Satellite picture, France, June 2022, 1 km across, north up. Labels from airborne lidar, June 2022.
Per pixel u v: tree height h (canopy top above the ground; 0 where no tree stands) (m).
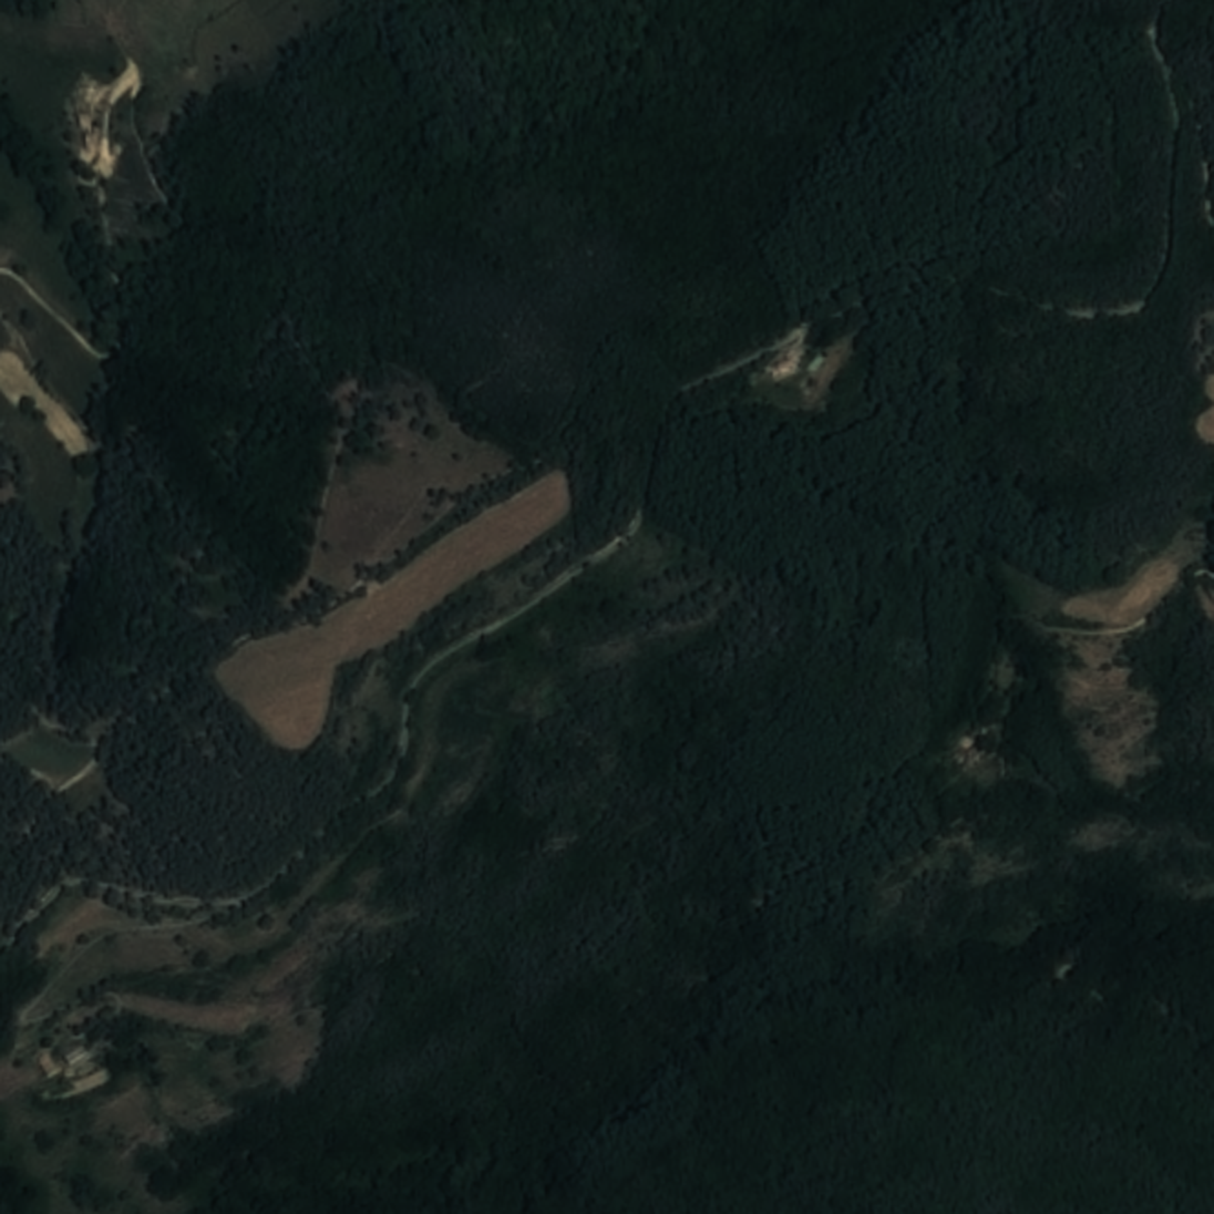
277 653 0
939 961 15
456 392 9
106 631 17
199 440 16
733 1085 19
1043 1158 15
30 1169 0
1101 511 23
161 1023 7
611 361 28
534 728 11
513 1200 10
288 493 13
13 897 15
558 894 19
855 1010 14
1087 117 25
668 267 8
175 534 14
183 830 17
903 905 7
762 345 10
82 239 16
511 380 8
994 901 14
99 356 0
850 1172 15
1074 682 0
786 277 24
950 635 18
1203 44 20
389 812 9
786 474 31
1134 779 9
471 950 17
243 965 16
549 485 0
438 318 8
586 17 7
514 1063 18
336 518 0
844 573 27
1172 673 7
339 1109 16
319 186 10
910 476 26
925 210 27
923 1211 18
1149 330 13
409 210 15
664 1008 21
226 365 11
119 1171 0
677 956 15
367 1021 16
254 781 17
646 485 19
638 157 11
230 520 19
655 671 6
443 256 10
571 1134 28
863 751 25
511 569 0
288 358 12
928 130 26
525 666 8
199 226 11
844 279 28
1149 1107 19
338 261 18
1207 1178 15
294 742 0
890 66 12
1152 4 20
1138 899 10
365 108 12
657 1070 22
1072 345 11
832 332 17
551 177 7
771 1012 24
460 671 0
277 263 16
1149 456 15
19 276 11
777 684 17
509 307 7
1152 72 15
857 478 27
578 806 10
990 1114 11
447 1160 15
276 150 15
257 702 0
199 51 0
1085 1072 21
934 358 24
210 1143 12
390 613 0
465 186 9
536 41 9
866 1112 13
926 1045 17
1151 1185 18
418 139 11
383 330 12
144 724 14
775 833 27
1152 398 15
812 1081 17
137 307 14
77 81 0
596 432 15
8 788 17
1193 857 8
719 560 14
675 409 19
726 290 11
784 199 11
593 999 21
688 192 7
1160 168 7
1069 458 10
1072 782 19
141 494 16
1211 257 10
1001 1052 19
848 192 25
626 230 7
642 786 9
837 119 11
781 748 24
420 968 12
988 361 12
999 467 15
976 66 22
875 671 14
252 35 0
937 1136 17
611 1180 27
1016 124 9
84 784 0
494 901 15
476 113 15
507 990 22
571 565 12
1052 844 8
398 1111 18
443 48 21
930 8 8
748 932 18
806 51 14
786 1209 15
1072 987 13
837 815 27
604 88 9
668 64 6
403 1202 23
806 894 30
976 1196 15
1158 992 19
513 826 15
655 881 17
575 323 9
